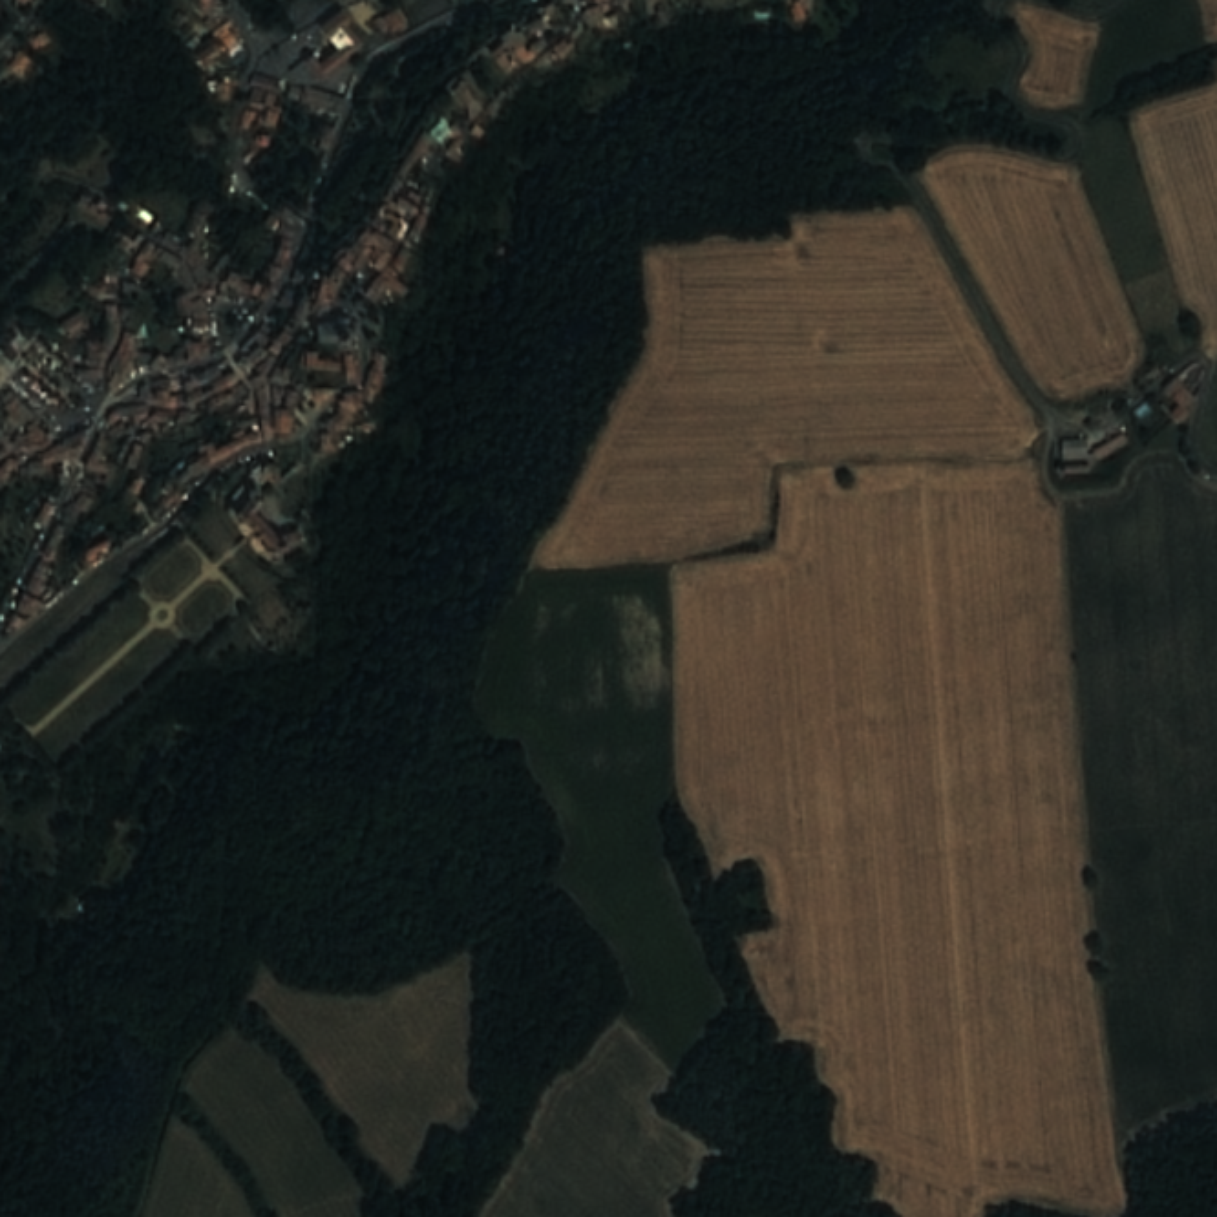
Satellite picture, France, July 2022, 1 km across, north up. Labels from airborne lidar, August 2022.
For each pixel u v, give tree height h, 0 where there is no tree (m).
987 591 0
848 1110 0
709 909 12
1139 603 0
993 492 0
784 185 13
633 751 0
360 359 0
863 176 10
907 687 0
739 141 25
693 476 0
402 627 27
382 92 17
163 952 21
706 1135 13
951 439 0
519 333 23
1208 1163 20
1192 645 0
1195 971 0
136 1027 10
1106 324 0
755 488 0
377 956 16
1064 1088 0
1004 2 0
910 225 0
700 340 0
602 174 20
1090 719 0
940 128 23
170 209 0
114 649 0
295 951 16
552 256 17
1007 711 0
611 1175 0
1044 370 0
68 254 15
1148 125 0
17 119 15
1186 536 0
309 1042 0
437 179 8
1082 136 0
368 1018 0
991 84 0
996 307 0
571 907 13
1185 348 0
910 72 19
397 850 16
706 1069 16
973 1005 0
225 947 15
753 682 0
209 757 22
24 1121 24
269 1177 0
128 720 11
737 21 20
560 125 27
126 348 0
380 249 0
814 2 0
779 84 27
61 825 16
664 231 14
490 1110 16
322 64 0
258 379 0
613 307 21
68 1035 24
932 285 0
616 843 0
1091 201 0
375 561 25
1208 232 0
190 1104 12
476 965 12
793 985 0
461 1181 13
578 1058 8
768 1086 16
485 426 27
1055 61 0
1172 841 0
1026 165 0
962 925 0
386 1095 0
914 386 0
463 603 18
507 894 17
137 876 9
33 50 9
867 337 0
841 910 0
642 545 0
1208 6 0
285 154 9
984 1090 0
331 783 16
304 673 16
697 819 0
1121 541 0
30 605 0
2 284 15
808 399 0
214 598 0
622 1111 0
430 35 6
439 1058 0
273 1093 0
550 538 0
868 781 0
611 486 0
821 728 0
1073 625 0
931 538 0
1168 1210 19
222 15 0
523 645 0
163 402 0
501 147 18
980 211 0
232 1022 15
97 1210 7
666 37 21
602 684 0
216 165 18
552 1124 0
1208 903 0
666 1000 0
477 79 12
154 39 19
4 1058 17
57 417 0
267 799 15
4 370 0
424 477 14
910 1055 0
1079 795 0
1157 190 0
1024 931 0
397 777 10
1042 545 0
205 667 10
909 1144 0
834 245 0
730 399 0
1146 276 0
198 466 0
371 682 8
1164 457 0
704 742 0
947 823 0
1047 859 0
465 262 12
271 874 12
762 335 0
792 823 0
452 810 19
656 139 23
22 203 11
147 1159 9
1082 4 0
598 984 14
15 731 11
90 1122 16
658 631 0
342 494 17
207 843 16
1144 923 0
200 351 0
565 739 0
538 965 21
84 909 18
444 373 24
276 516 0
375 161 15
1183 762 0
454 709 15
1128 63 0
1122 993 0
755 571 0
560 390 16
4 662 0
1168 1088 0
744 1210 14
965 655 0
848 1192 17
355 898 12
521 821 15
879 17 30
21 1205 18
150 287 7
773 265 0
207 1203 0
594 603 0
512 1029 18
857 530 0
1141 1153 16
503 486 17
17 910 18
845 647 0
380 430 11
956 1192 0
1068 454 0
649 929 0
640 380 0
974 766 0
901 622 0
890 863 0
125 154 21
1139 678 0
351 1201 0
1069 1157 0
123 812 19
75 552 14
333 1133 13
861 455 0
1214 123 0
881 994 0
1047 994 0
